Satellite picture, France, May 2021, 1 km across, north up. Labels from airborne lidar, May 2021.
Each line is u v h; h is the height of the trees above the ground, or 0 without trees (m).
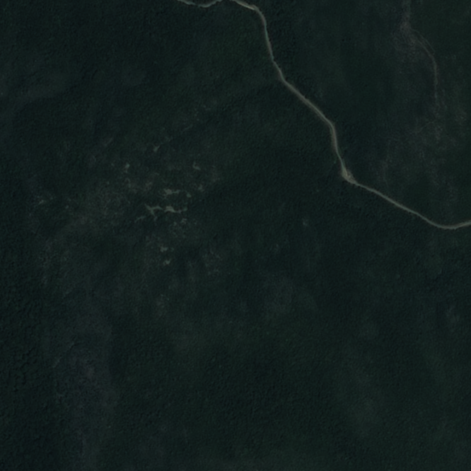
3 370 10
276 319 6
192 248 7
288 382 10
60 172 8
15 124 9
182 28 11
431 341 6
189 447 6
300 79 12
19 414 18
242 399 12
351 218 11
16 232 11
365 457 8
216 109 6
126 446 10
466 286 5
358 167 6
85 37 17
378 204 7
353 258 10
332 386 7
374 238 9
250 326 7
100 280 6
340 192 10
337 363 6
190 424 7
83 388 8
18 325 13
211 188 8
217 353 8
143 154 7
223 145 6
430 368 6
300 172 10
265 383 14
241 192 9
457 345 6
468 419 8
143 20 11
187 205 6
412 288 6
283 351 6
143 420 6
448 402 6
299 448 6
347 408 5
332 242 6
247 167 7
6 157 8
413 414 5
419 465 7
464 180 6
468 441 8
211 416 9
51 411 14
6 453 21
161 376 7
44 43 10
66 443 8
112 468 9
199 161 7
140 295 6
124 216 5
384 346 7
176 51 10
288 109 9
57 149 9
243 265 8
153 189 6
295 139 9
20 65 7
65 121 10
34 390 13
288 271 8
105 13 8
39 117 13
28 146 10
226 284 6
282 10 10
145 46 14
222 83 7
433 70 0
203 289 7
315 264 5
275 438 9
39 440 18
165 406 13
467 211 6
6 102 6
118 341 6
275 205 9
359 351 6
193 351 6
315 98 7
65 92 7
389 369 8
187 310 6
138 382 6
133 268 7
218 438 7
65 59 7
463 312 7
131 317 7
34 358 13
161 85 8
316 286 5
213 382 9
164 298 6
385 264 9
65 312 7
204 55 7
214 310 6
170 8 12
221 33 7
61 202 7
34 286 11
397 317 6
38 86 6
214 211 6
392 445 7
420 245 9
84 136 7
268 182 10
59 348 6
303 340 9
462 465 7
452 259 6
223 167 8
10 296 13
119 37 10
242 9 6
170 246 5
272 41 14
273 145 9
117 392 5
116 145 8
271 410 11
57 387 8
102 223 6
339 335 8
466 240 6
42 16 15
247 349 7
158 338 5
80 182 6
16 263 6
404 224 8
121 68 7
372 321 8
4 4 11
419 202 6
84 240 5
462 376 6
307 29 8
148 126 7
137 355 6
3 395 18
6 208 10
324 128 6
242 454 7
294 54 11
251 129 6
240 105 10
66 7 9
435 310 6
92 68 14
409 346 9
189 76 7
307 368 10
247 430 9
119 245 7
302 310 7
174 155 7
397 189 6
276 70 6
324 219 8
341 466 6
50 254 7
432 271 6
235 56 9
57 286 6
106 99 7
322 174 14
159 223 7
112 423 7
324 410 11
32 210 8
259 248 5
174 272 6
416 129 0
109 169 7
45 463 16
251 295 8
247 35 7
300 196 15
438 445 7
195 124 7
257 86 6
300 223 7
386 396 6
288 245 6
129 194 6
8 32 9
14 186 9
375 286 5
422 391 7
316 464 6
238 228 7
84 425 7
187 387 6
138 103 8
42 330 6
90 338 7
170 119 7
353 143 11
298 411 10
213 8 8
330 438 6
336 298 12
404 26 0
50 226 7
